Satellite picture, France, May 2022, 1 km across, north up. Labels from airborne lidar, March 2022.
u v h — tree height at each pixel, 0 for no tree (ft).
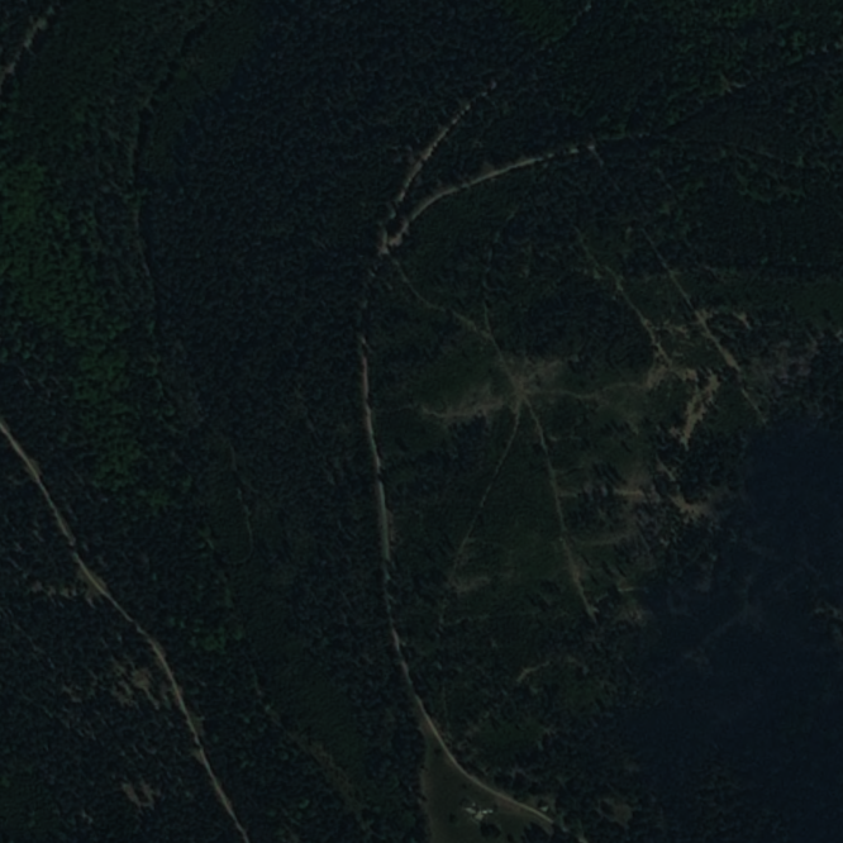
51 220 81
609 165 71
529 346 19
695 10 64
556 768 73
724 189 59
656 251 77
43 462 77
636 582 0
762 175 40
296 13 38
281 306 84
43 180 65
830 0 25
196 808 55
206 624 91
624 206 95
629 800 47
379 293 65
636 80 50
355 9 103
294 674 22
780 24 25
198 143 97
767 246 60
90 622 83
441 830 0
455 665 68
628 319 25
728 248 76
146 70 64
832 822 62
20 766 74
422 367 80
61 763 101
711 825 58
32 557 67
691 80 68
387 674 25
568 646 83
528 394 0
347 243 30
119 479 80
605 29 54
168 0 68
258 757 72
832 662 83
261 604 18
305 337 72
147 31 59
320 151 92
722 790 57
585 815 48
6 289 82
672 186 76
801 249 57
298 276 83
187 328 106
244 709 88
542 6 39
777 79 79
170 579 87
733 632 21
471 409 0
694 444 27
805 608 24
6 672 82
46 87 71
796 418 31
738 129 53
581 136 94
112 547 91
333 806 92
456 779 0
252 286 88
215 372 98
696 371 0
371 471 39
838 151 86
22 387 87
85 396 82
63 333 73
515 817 0
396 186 39
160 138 18
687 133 56
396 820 19
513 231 19
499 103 82
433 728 0
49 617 93
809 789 43
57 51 59
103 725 83
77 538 86
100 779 103
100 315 72
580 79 43
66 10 73
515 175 25
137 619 89
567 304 74
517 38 85
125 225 111
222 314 96
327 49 111
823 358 32
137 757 89
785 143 49
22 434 79
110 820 56
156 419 77
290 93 109
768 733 81
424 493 91
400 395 67
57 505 77
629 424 0
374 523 27
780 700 60
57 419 96
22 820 21
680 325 0
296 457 82
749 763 81
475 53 95
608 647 77
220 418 91
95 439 87
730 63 72
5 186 81
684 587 56
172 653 83
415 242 23
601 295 30
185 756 67
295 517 95
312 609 102
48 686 99
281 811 24
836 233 59
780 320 66
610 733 90
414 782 58
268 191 93
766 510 40
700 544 64
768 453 56
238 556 20
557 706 92
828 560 19
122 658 77
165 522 75
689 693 59
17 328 85
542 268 76
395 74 97
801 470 35
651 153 73
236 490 21
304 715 31
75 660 92
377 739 92
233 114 101
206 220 94
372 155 30
